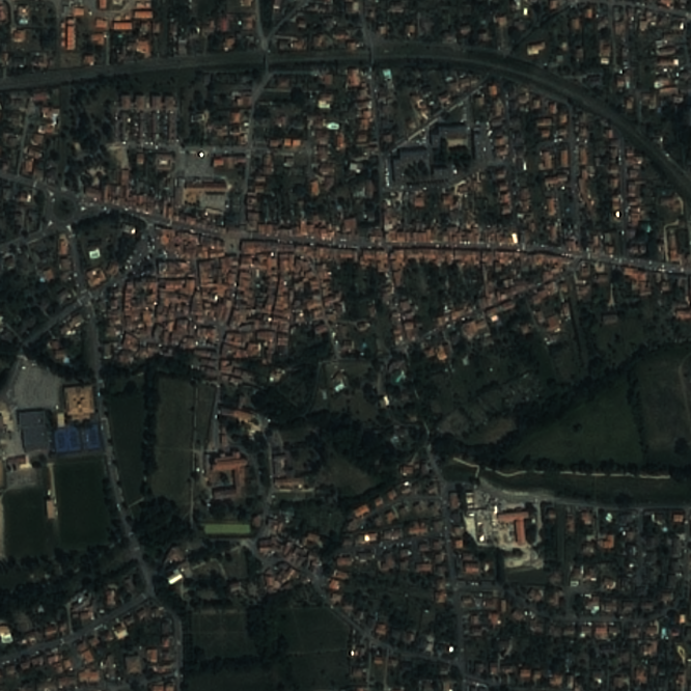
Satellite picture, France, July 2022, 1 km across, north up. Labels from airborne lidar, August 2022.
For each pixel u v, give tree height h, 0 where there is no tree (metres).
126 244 14
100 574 10
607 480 0
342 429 26
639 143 0
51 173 0
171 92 0
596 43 8
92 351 0
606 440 0
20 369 0
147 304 0
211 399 0
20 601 23
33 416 0
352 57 0
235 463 0
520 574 0
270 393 10
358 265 7
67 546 0
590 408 0
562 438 0
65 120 0
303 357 7
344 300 7
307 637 0
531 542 12
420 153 0
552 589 11
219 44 7
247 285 0
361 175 14
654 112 7
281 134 6
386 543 0
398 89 7
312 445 7
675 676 8
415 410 8
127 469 0
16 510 0
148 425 17
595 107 0
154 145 0
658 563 8
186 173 0
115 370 17
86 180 15
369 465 13
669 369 0
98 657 0
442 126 0
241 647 0
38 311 16
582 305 7
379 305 8
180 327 0
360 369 0
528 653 7
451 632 7
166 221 0
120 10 0
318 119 0
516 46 6
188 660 7
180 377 18
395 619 11
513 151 0
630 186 0
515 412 7
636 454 0
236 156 0
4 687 0
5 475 0
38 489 0
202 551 13
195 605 18
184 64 0
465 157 11
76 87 6
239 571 0
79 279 0
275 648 14
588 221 7
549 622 8
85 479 0
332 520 0
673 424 0
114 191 0
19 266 7
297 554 0
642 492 0
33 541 0
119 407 0
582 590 0
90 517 0
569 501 0
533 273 8
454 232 0
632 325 0
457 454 7
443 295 10
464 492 16
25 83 0
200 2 0
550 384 12
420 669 10
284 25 6
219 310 0
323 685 0
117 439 0
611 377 15
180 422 0
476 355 9
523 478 0
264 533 0
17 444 0
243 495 0
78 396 0
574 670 8
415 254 0
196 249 0
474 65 0
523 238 0
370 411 0
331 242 0
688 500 0
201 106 7
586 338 8
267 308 0
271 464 0
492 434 0
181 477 0
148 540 26
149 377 16
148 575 0
